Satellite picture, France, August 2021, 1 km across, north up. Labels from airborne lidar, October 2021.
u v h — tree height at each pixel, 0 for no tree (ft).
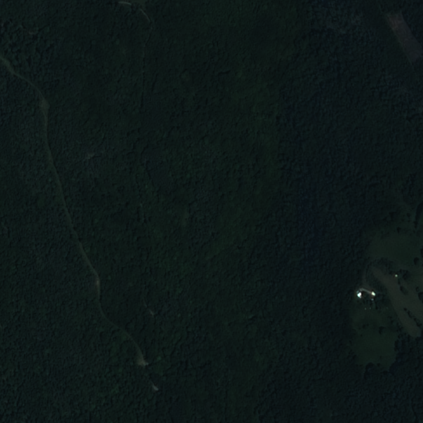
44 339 64
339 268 82
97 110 62
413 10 60
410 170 74
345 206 54
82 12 74
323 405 48
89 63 36
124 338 69
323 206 59
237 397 91
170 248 21
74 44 88
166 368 68
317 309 76
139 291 36
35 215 55
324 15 25
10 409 92
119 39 54
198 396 93
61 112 45
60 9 81
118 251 43
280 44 71
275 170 89
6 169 65
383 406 78
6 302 73
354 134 60
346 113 73
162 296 30
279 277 64
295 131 53
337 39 68
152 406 72
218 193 67
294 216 50
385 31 64
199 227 80
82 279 40
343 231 70
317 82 27
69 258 73
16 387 58
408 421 88
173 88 39
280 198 81
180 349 61
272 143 83
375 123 85
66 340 59
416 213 0
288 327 64
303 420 67
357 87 101
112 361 48
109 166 27
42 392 58
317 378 85
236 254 116
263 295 85
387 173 87
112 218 59
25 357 68
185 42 58
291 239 85
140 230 86
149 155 76
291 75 78
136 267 54
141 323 49
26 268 70
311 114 46
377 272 0
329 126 49
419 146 96
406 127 94
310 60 66
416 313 0
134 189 65
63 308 61
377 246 0
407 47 0
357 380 93
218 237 73
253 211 95
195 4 38
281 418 85
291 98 51
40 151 45
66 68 60
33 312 62
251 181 47
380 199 91
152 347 65
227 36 56
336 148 51
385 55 59
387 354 0
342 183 100
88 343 71
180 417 78
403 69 63
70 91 33
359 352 0
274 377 66
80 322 67
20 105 52
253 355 78
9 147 67
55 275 66
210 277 64
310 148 86
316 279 69
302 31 76
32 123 51
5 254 62
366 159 73
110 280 23
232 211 92
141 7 27
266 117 59
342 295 69
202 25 25
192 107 33
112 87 34
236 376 83
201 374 65
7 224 84
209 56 35
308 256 47
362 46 45
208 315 50
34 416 73
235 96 90
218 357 85
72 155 35
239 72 75
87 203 71
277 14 64
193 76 36
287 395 84
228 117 94
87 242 27
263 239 97
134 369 63
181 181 59
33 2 68
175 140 82
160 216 42
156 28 22
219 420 88
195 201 42
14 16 88
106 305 30
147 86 51
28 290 72
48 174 58
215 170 52
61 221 65
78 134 53
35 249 21
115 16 52
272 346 93
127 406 20
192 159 49
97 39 84
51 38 76
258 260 112
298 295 77
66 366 63
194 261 28
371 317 0
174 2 53
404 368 113
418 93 35
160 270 57
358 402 93
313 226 54
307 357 86
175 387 91
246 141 84
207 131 28
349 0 29
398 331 33
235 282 104
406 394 85
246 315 104
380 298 55
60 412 74
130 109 75
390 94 62
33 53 90
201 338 84
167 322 40
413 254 0
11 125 96
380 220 94
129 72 30
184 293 46
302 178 35
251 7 49
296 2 82
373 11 56
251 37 43
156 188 53
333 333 54
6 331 62
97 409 56
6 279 79
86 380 42
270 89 117
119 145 54
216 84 54
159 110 62
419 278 0
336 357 73
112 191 29
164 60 34
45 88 50
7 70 58
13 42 94
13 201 68
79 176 69
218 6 54
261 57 72
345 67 65
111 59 39
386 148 86
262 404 47
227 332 106
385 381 98
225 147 49
